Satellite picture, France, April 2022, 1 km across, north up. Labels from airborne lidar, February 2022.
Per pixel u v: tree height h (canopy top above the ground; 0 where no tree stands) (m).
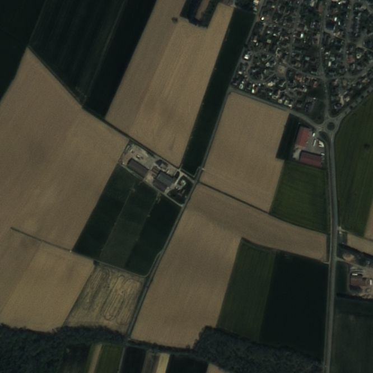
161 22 0
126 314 0
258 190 0
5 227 0
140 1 0
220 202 0
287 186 0
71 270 0
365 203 0
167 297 0
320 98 0
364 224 0
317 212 0
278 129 0
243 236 0
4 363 16
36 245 0
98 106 0
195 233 0
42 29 0
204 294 0
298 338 0
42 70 0
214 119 0
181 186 0
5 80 0
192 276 0
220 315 0
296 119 0
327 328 0
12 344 21
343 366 0
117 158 0
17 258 0
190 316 0
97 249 0
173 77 0
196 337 0
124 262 0
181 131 0
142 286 0
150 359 0
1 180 0
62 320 0
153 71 0
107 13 0
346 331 0
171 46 0
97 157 0
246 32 0
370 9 0
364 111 0
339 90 0
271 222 0
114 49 0
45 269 0
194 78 0
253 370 24
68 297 0
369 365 0
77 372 0
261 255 0
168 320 0
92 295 0
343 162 0
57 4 0
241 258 0
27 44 0
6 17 0
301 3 0
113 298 0
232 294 0
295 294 0
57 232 0
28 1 0
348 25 0
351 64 0
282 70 0
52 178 0
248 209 0
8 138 0
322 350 0
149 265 0
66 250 0
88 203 0
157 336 0
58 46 0
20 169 0
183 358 0
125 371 0
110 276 0
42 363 29
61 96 0
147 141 0
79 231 0
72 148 0
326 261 0
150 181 0
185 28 0
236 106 0
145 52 0
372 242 0
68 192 0
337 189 0
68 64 0
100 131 0
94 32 0
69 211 0
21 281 0
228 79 0
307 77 0
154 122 0
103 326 0
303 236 0
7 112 0
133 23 0
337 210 0
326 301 0
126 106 0
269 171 0
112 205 0
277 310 0
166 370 0
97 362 0
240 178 0
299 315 0
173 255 0
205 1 0
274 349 12
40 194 0
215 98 0
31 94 0
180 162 0
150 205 0
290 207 0
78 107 0
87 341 23
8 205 0
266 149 0
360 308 0
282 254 0
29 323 0
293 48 0
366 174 0
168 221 0
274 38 8
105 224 0
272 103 0
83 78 0
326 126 0
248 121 0
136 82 0
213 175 0
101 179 0
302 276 0
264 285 0
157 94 0
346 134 0
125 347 0
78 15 0
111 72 0
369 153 0
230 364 27
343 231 0
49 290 0
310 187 0
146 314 0
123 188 0
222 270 0
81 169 0
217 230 0
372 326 0
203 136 0
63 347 23
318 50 0
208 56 0
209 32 0
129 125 0
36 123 0
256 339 0
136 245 0
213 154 0
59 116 0
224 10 0
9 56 0
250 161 0
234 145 0
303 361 0
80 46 0
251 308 0
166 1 0
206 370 0
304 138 0
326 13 0
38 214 0
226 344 25
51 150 0
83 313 0
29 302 0
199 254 0
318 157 0
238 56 0
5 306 0
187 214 0
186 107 0
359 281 0
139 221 0
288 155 0
